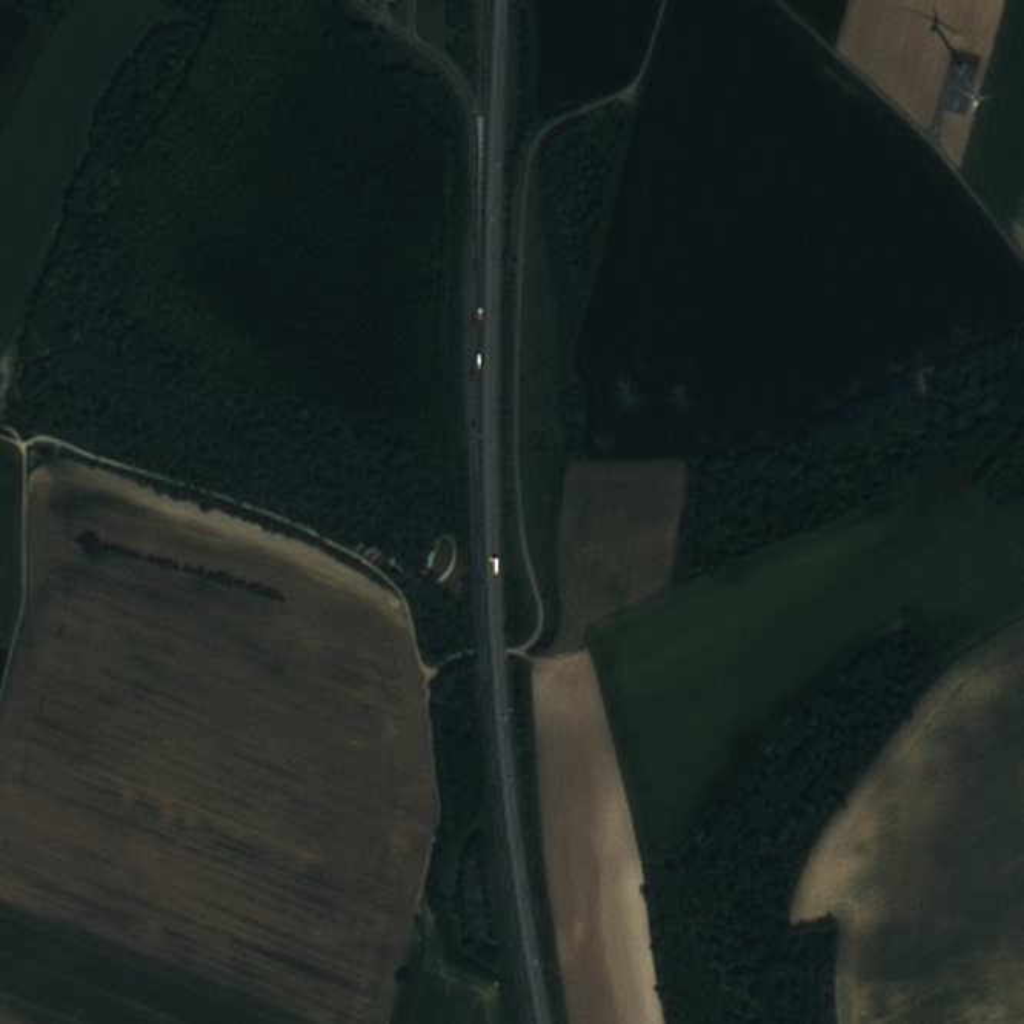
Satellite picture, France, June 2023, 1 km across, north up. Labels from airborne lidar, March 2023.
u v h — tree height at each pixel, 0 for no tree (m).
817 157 0
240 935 0
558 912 0
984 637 0
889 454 18
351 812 0
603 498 0
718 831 17
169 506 0
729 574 0
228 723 0
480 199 0
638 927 0
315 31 15
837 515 6
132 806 0
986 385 21
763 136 0
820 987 15
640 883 0
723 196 0
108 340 13
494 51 0
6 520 0
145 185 12
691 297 0
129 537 0
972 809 0
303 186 17
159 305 10
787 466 21
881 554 0
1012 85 0
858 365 0
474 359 0
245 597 0
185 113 11
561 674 0
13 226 0
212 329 8
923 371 20
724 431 0
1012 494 10
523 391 0
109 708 0
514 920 0
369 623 0
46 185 0
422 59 0
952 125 0
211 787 0
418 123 16
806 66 0
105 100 11
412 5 0
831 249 0
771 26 0
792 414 0
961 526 0
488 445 0
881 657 17
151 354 12
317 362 16
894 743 0
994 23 0
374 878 0
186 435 6
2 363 0
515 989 0
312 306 16
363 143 16
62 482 0
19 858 0
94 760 0
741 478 20
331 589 0
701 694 0
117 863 0
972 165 0
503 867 0
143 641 0
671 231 0
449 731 13
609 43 0
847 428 22
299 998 0
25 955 0
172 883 0
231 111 11
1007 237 0
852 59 0
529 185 0
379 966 0
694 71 0
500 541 0
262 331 16
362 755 0
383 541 16
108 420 8
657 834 0
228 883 0
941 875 0
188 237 16
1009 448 13
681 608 0
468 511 6
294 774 0
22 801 0
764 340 0
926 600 0
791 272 0
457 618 9
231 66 9
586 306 0
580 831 0
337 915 0
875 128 0
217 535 0
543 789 0
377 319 18
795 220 0
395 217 18
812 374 0
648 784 0
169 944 0
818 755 13
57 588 0
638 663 0
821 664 0
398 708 0
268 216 16
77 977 0
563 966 0
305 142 16
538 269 0
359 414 14
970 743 0
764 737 0
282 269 16
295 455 15
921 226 0
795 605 0
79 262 9
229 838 0
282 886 0
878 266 0
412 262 16
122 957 0
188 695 0
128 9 0
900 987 0
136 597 0
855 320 0
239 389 7
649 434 0
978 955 0
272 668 0
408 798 0
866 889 0
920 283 0
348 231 17
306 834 0
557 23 0
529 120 9
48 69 0
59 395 8
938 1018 0
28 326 6
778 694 0
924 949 0
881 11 0
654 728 0
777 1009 15
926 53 0
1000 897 0
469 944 10
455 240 10
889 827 0
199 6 13
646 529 0
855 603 0
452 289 8
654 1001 0
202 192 12
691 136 0
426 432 11
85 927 0
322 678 0
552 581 0
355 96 16
